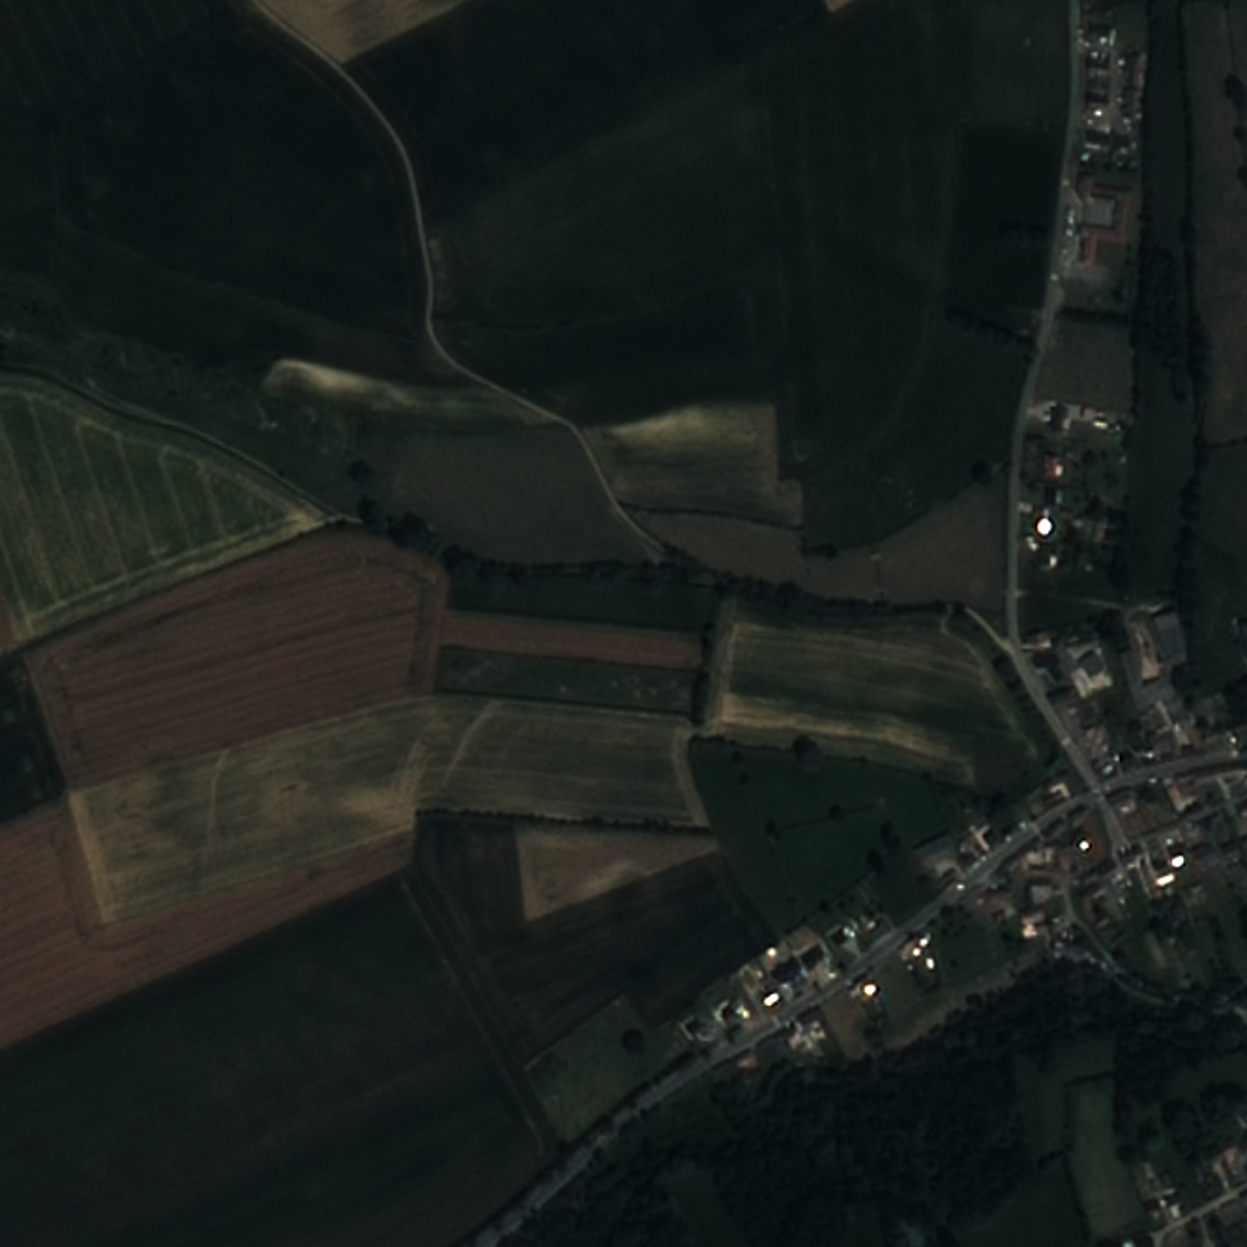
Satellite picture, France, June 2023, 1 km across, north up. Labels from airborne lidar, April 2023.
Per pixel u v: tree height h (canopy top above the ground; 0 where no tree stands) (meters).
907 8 0
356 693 0
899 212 0
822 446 0
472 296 0
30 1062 0
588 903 0
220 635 0
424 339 0
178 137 0
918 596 0
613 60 0
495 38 0
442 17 0
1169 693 0
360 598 0
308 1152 0
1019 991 11
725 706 0
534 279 0
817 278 0
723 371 0
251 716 0
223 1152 0
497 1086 0
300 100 0
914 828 0
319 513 0
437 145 0
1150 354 13
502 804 0
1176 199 0
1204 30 0
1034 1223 0
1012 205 0
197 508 0
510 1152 0
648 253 0
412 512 0
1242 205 0
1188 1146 11
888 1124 21
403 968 0
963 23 0
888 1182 24
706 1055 9
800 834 0
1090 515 7
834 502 0
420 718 0
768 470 0
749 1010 0
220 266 0
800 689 0
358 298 0
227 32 0
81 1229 0
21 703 0
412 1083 0
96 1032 0
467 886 0
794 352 0
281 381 0
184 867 0
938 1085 13
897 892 0
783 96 0
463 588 0
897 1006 0
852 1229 0
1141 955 0
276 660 0
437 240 0
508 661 0
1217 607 0
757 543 0
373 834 0
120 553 0
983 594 0
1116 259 0
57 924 0
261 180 0
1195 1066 18
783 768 0
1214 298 0
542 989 0
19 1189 0
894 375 0
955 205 0
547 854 0
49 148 0
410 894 0
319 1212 0
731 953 0
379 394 0
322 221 0
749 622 0
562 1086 0
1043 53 0
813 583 0
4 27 0
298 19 0
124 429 0
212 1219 0
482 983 0
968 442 0
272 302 0
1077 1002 17
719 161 0
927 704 0
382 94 0
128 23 0
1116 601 0
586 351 0
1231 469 0
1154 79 7
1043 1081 0
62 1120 0
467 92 0
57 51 0
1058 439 0
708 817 0
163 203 0
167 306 0
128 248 0
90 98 0
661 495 0
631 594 0
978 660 0
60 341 0
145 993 0
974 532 0
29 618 0
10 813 0
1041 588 0
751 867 0
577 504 0
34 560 0
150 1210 0
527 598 0
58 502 0
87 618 0
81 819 0
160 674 0
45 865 0
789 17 0
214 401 0
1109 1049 0
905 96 0
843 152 0
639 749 0
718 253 0
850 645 0
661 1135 0
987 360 0
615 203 0
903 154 0
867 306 0
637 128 0
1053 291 0
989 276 0
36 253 0
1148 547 0
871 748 0
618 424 0
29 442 0
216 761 0
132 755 0
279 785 0
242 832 0
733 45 0
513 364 0
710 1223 0
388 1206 0
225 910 0
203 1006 0
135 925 0
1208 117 0
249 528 0
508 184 0
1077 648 0
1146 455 0
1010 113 0
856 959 0
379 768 0
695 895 0
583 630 0
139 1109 0
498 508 0
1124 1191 0
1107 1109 0
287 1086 0
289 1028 0
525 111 0
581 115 0
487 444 0
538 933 0
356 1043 0
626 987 0
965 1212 26
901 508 0
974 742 0
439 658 0
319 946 0
